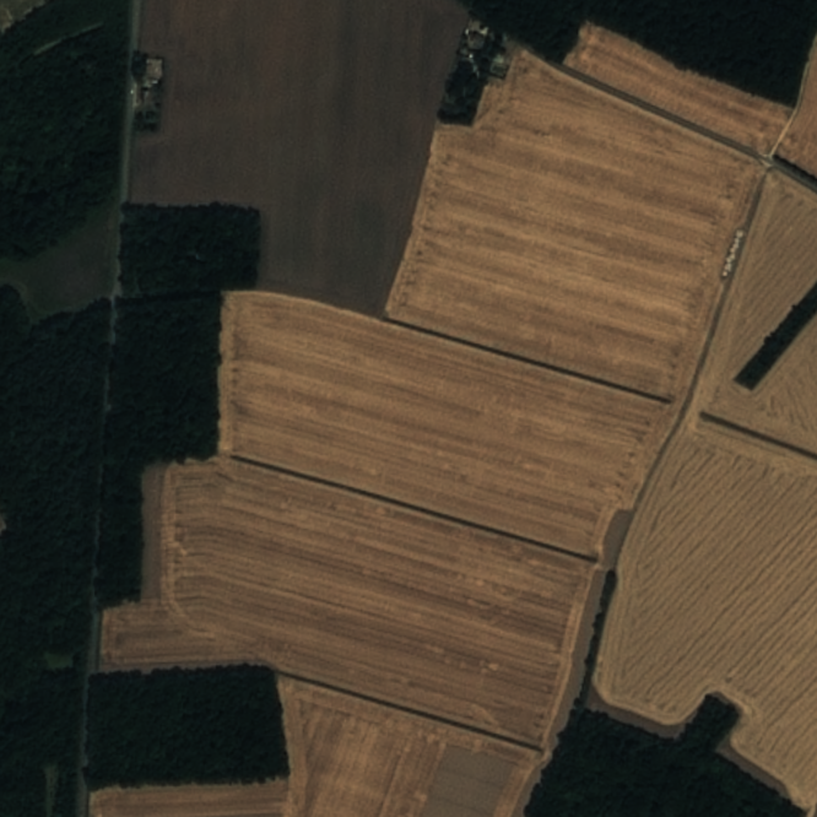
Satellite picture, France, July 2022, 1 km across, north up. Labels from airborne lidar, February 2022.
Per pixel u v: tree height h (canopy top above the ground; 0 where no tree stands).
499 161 0
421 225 0
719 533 0
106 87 14
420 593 0
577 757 18
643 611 0
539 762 0
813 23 17
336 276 0
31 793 18
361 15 0
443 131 0
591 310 0
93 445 20
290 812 0
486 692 0
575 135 0
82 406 16
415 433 0
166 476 0
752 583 0
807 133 0
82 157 12
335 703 0
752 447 0
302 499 0
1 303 20
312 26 0
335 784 0
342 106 0
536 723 0
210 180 0
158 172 0
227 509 0
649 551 0
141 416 17
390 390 0
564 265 0
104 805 0
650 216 0
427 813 0
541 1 20
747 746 0
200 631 0
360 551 0
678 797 19
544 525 0
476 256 0
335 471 0
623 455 0
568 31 19
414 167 0
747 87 6
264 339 0
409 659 0
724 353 0
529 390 0
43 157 8
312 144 0
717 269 0
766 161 0
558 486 0
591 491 0
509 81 0
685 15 21
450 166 0
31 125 8
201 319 22
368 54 0
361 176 0
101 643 0
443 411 0
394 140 0
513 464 0
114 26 7
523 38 14
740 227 0
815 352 0
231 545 0
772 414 0
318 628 0
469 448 0
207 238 11
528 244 0
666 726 0
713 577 0
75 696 20
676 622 0
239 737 16
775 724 0
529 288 0
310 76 0
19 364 16
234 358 0
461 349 0
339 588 0
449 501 0
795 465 0
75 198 23
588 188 0
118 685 15
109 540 18
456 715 0
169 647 0
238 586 0
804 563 0
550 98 0
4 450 16
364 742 0
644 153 0
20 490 17
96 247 0
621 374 0
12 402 22
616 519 0
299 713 0
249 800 0
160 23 0
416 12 0
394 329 0
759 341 0
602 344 0
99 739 15
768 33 23
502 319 0
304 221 0
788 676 0
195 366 18
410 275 0
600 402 0
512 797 0
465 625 0
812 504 0
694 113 0
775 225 0
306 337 0
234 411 0
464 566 0
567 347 0
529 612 0
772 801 21
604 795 14
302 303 0
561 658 0
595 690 0
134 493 17
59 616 20
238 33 0
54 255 0
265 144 0
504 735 0
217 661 0
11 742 16
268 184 0
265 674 12
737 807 18
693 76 0
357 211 0
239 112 0
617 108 0
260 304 0
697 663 0
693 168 0
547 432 0
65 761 14
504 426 0
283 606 0
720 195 0
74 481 18
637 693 0
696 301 0
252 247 18
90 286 0
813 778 0
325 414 0
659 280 0
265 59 0
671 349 0
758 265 0
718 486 0
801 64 16
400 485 0
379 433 0
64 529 16
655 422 0
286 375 0
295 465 0
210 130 0
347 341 0
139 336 16
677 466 0
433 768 0
